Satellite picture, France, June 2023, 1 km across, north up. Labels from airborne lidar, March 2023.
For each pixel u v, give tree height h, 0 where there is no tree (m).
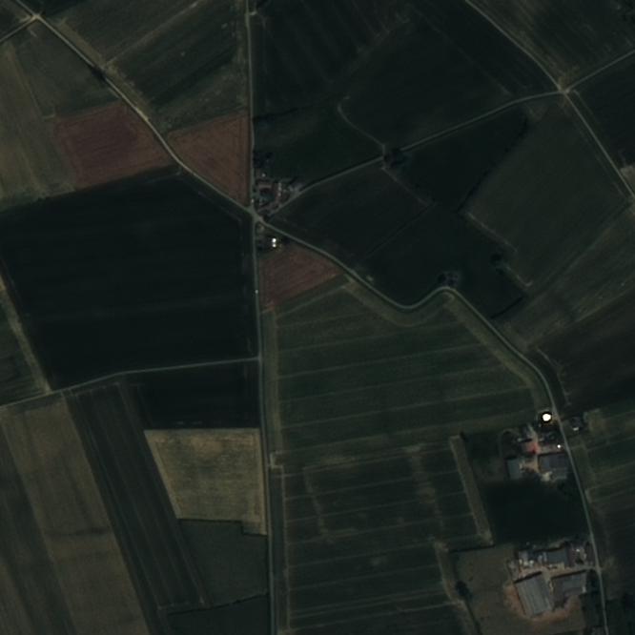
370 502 0
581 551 0
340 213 0
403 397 0
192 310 0
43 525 0
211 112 0
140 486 0
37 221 0
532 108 0
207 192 0
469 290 0
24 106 0
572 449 0
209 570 0
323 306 0
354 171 0
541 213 0
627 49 0
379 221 0
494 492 0
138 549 0
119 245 0
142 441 0
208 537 0
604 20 0
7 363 0
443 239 0
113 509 0
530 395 0
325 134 0
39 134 0
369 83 0
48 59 0
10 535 0
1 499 0
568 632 0
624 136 0
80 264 0
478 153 0
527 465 0
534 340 0
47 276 0
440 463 0
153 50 0
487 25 0
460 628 0
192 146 0
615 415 0
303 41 0
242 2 0
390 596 0
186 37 0
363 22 0
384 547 0
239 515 0
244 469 0
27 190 0
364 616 0
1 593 0
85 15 0
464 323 0
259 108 0
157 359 0
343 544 0
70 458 0
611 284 0
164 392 0
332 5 0
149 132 0
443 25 0
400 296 0
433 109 0
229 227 0
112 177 0
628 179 0
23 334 0
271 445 0
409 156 0
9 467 0
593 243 0
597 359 0
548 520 0
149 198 0
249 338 0
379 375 0
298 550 0
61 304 0
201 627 0
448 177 0
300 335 0
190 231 0
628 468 0
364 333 0
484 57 0
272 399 0
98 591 0
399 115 0
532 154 0
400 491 0
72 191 0
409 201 0
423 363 0
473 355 0
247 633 0
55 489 0
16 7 0
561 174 0
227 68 0
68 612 0
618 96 0
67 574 0
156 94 0
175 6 0
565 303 0
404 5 0
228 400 0
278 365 0
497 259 15
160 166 0
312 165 0
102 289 0
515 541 0
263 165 8
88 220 0
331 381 0
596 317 0
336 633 0
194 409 0
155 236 0
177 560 0
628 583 0
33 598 0
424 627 0
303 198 0
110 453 0
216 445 0
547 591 0
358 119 0
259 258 0
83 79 0
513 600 0
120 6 0
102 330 0
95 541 0
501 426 0
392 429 0
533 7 0
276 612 0
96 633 0
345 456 0
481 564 0
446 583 0
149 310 0
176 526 0
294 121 0
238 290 0
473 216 0
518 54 0
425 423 0
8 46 0
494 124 0
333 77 0
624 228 0
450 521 0
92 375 0
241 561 0
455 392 0
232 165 0
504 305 0
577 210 0
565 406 0
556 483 0
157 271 0
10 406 0
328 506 0
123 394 0
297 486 0
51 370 0
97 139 0
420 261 0
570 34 0
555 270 0
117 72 0
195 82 0
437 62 0
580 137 0
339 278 0
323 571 0
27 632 0
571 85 0
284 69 0
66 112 0
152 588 0
